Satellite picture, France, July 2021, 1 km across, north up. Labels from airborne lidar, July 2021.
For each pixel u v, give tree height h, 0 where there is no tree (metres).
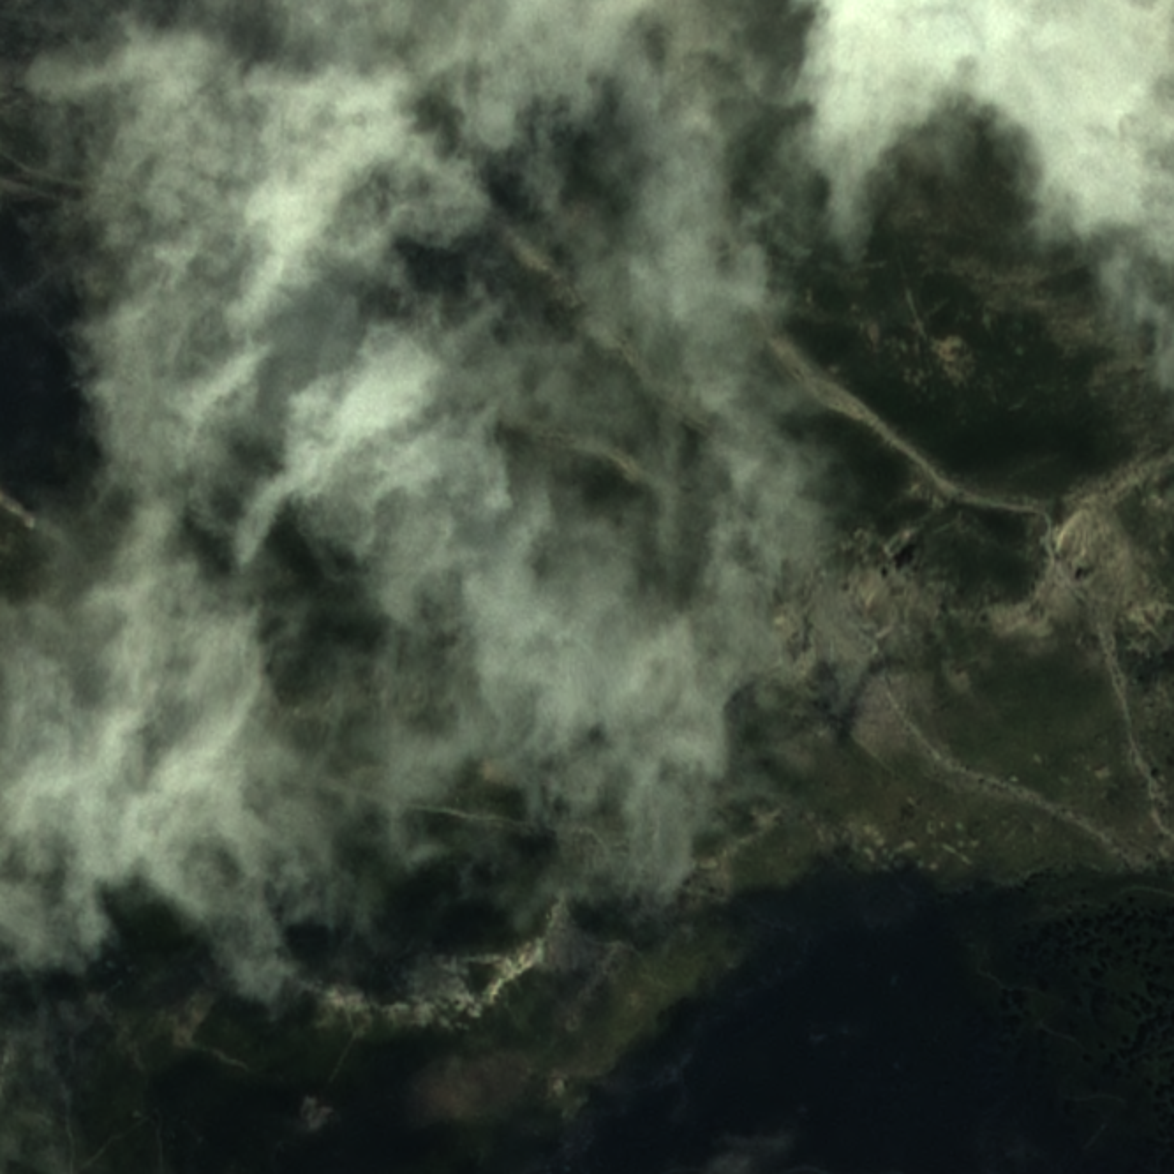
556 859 0
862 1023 0
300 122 0
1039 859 0
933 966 0
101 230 0
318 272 0
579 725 0
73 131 0
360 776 0
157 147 0
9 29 0
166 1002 0
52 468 0
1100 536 0
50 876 0
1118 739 0
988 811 0
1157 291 0
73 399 0
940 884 0
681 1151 0
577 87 0
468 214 0
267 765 0
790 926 0
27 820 0
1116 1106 0
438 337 0
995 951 0
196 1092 0
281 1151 0
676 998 0
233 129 0
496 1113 0
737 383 0
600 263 0
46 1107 0
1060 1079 0
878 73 0
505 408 0
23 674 0
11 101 0
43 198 0
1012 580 0
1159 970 10
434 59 0
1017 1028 15
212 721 0
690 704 0
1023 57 0
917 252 0
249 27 0
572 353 0
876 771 0
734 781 0
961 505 0
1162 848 0
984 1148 8
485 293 0
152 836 0
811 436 0
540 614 0
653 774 0
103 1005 0
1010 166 0
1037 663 0
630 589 0
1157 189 0
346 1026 0
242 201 0
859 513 0
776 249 0
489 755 0
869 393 0
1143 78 0
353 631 0
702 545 0
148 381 0
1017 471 0
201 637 0
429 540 0
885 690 0
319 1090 0
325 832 0
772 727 0
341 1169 0
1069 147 0
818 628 0
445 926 0
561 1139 0
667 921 0
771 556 0
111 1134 0
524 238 0
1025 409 0
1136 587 0
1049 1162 15
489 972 0
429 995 0
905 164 0
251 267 0
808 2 0
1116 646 0
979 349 0
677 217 0
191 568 0
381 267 0
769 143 0
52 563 0
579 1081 0
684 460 0
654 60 0
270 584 0
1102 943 8
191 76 0
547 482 0
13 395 0
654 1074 0
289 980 0
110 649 0
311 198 0
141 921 0
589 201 0
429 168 0
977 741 0
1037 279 0
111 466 0
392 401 0
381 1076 0
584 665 0
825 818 0
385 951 0
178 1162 0
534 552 0
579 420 0
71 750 0
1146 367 0
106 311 0
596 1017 0
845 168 0
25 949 0
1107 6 0
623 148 0
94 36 0
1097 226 0
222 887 0
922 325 0
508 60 0
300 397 0
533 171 0
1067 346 0
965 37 0
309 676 0
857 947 0
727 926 0
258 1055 0
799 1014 0
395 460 0
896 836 0
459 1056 0
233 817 0
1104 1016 20
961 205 0
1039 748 0
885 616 0
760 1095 0
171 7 0
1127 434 0
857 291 0
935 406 0
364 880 0
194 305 0
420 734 0
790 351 0
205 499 0
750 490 0
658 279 0
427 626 0
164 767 0
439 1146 0
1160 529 0
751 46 0
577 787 0
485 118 0
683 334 0
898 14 0
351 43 0
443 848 0
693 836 0
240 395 0
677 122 0
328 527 0
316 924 0
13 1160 0
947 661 0
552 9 0
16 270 0
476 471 0
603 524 0
